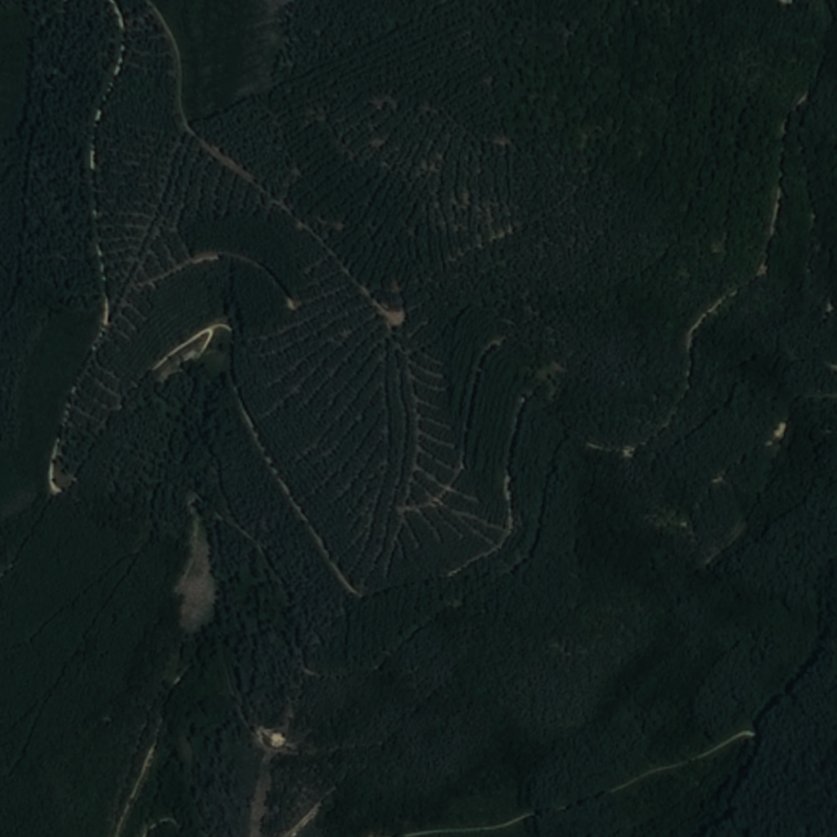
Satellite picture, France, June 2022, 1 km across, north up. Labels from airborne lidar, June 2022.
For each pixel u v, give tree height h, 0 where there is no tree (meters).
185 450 28
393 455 16
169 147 13
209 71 0
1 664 14
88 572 16
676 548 19
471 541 15
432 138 16
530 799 24
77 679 13
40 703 18
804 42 22
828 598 22
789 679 15
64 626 16
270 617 6
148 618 23
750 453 33
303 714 10
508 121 15
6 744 8
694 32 11
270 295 29
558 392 12
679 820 12
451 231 13
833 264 22
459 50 14
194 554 31
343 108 15
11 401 17
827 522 30
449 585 31
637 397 20
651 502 13
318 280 15
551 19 12
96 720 17
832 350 27
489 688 21
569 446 29
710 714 31
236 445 22
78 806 14
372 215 19
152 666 17
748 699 29
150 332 15
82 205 25
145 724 19
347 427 15
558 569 25
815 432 21
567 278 15
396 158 19
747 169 20
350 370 17
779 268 18
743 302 14
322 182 15
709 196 18
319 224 9
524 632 20
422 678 20
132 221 17
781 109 17
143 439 25
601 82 14
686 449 28
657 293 18
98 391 17
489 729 23
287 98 16
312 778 7
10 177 14
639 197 16
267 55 0
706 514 23
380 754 15
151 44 17
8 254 17
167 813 9
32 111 17
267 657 18
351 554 16
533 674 20
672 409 17
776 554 33
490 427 32
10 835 16
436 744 22
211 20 0
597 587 15
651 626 14
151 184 14
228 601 19
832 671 28
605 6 10
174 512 25
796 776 31
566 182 15
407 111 17
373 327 17
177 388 21
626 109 12
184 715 20
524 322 12
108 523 15
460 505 18
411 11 15
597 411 13
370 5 15
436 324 19
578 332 13
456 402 32
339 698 13
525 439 31
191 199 18
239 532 20
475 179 17
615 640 11
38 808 15
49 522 15
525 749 23
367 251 16
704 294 17
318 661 15
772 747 28
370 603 27
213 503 36
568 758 31
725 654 16
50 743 17
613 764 27
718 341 21
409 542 15
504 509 14
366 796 15
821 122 31
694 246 12
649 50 9
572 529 27
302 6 17
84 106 27
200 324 13
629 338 19
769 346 29
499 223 12
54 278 26
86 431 18
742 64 13
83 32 17
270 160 19
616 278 11
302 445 16
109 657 17
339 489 17
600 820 26
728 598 19
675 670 18
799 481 22
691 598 27
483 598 28
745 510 13
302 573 9
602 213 19
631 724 26
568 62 12
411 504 15
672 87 15
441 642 21
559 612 23
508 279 16
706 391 17
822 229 18
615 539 25
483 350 30
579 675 13
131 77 12
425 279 20
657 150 11
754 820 33
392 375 16
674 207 14
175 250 14
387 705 20
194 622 0
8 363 17
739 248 13
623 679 19
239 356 13
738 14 24
